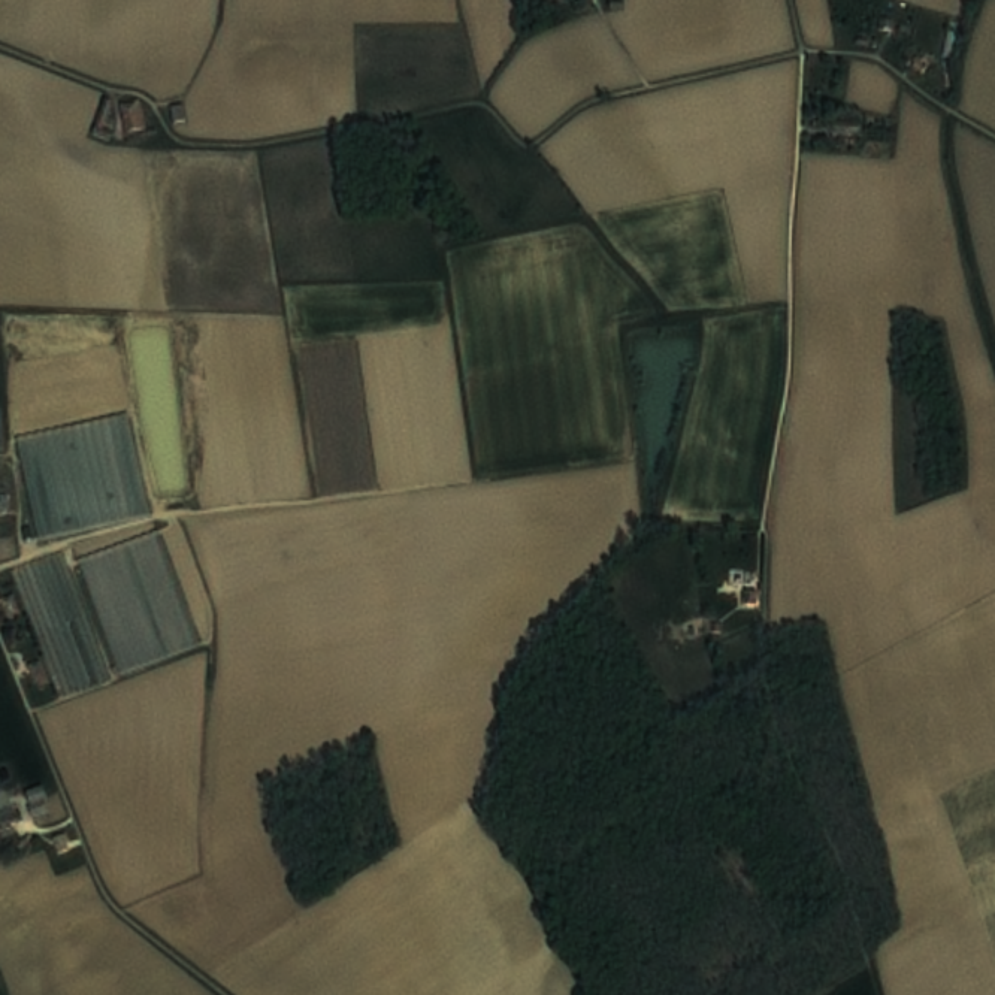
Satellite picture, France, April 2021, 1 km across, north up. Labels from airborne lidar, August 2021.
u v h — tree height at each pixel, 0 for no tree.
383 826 16
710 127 0
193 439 0
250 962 0
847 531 0
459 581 0
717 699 20
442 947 0
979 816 0
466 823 0
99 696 0
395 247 0
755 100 0
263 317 0
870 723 0
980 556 0
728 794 21
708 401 0
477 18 0
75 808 0
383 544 0
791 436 0
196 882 0
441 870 0
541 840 18
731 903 17
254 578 0
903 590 0
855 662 0
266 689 0
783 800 15
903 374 16
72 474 0
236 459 0
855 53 0
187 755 0
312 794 19
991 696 0
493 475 0
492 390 0
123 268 0
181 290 0
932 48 0
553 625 16
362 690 0
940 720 0
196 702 0
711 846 19
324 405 0
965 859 0
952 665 0
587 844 19
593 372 0
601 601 21
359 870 13
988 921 0
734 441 0
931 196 0
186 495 0
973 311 0
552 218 0
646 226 0
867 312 0
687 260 0
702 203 0
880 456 0
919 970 0
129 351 0
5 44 0
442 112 0
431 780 0
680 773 18
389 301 0
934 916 0
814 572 0
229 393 0
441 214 22
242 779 0
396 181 24
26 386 0
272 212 0
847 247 0
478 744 0
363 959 0
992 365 0
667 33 0
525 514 0
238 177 0
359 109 0
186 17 0
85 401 0
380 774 17
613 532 0
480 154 0
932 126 0
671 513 0
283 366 0
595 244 0
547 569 0
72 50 0
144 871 0
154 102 0
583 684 20
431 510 0
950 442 9
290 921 0
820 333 0
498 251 0
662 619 0
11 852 12
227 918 0
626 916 15
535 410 0
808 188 0
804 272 0
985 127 0
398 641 0
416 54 0
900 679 0
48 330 0
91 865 0
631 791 20
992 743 0
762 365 0
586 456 0
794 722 16
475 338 0
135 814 0
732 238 0
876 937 14
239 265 0
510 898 0
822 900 10
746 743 19
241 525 0
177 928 0
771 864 16
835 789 15
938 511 0
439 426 0
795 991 14
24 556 0
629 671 21
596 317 0
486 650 0
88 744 0
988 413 0
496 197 0
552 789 21
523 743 18
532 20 16
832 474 0
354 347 0
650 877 13
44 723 0
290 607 0
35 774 0
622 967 20
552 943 14
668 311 0
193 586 0
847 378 0
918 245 0
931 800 0
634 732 23
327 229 0
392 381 0
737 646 0
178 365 0
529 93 0
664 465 12
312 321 0
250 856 0
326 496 0
